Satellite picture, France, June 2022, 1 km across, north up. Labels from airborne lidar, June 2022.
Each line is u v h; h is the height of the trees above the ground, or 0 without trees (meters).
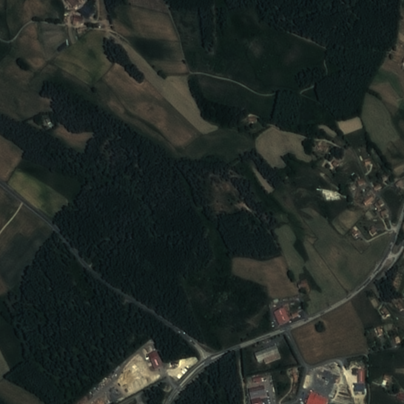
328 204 0
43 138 14
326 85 20
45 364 25
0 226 0
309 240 0
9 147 0
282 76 0
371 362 7
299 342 0
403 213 0
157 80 0
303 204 0
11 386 0
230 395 18
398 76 0
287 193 0
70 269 8
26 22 0
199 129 0
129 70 17
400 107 0
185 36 0
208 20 22
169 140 0
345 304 0
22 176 0
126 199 29
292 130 10
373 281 0
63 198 0
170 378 0
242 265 0
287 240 0
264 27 0
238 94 0
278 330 0
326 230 0
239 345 0
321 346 0
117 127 28
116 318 22
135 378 0
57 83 8
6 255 0
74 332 18
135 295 16
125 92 0
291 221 0
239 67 0
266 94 0
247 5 17
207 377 22
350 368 0
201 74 0
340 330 0
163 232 30
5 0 0
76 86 0
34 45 0
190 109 0
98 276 0
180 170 22
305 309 20
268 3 27
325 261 0
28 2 0
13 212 0
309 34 26
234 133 0
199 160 8
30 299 29
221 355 0
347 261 0
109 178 15
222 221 20
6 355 0
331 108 19
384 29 19
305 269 0
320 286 0
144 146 23
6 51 0
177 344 18
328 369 0
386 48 15
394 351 0
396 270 15
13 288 0
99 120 21
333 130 13
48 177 0
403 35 0
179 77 0
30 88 0
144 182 23
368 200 0
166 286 17
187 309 24
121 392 0
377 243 0
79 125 17
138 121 0
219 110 13
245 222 22
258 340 0
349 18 23
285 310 0
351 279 0
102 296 18
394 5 20
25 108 0
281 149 0
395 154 0
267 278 0
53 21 21
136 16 0
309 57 0
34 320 24
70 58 0
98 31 0
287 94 23
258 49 0
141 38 0
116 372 0
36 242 0
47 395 22
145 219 33
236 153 0
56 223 18
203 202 18
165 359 18
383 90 0
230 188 0
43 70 0
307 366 0
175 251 27
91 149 22
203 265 14
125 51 14
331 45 17
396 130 0
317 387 0
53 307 23
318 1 31
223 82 0
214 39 11
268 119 9
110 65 0
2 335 0
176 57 0
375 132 0
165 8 0
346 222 0
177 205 22
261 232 20
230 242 21
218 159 12
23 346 18
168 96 0
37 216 0
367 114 0
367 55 19
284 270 0
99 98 0
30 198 0
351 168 0
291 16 26
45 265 24
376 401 0
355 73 11
